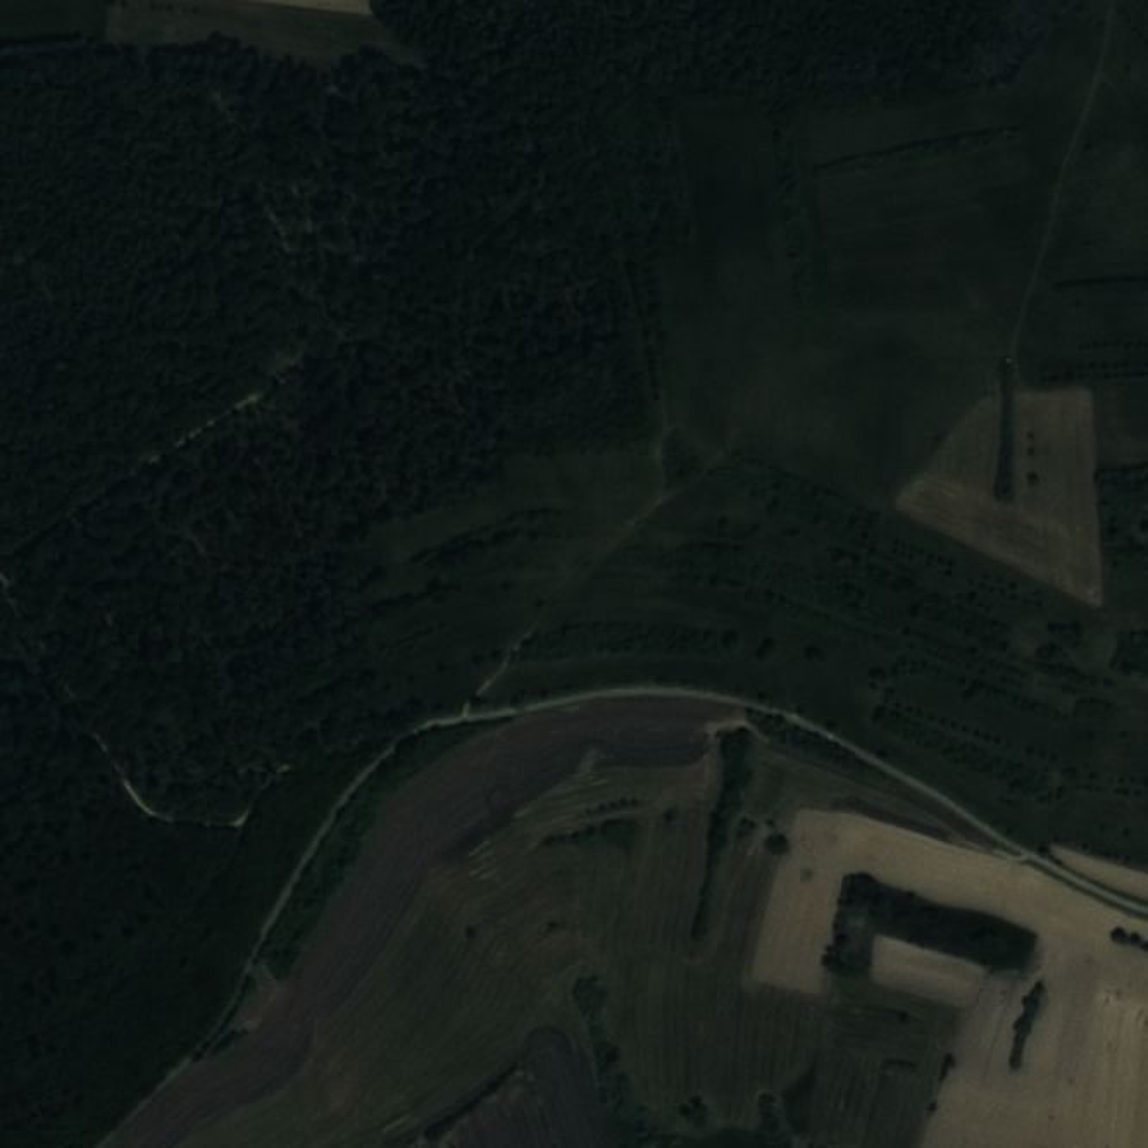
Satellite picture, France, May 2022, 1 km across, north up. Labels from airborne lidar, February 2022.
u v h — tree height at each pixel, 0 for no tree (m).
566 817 0
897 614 0
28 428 21
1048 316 0
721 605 0
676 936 0
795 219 6
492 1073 0
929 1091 0
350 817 7
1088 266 0
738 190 0
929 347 0
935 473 0
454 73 20
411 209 26
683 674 0
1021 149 0
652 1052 0
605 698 0
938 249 0
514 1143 0
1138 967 0
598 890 0
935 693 0
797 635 0
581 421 17
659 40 22
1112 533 13
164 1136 0
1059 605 0
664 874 0
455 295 23
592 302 10
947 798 0
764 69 17
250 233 29
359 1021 0
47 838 12
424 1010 0
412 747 16
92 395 19
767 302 0
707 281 0
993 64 19
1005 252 0
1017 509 0
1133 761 0
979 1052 0
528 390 23
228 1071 0
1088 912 0
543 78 23
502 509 0
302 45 0
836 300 0
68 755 29
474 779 0
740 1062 0
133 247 24
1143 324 0
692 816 0
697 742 0
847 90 18
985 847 0
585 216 20
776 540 0
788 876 0
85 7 0
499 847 0
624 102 22
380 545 0
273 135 30
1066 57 0
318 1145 0
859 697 0
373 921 0
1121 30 0
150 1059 13
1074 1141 0
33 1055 22
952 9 26
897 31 25
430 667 0
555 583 0
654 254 17
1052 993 0
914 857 0
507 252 22
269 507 30
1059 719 6
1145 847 0
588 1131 0
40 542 25
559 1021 0
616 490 0
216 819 8
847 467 0
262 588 28
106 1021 12
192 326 23
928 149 9
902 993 0
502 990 0
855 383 0
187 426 19
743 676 0
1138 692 0
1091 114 0
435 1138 9
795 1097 0
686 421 0
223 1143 0
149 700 23
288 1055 0
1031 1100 0
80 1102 21
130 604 27
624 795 0
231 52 21
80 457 26
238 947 13
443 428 27
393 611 16
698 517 0
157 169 23
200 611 26
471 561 17
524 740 0
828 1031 0
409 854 0
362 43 0
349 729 24
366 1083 0
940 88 16
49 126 22
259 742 24
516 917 0
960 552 0
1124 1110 0
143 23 0
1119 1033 0
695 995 0
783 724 12
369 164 27
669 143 14
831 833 0
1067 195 0
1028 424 0
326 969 0
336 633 29
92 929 9
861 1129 0
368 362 26
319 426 30
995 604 0
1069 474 0
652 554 0
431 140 26
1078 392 0
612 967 0
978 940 9
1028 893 0
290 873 7
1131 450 0
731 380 0
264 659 30
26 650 31
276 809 12
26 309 23
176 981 13
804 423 0
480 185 23
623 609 0
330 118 28
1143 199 0
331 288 26
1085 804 0
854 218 0
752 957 0
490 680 0
